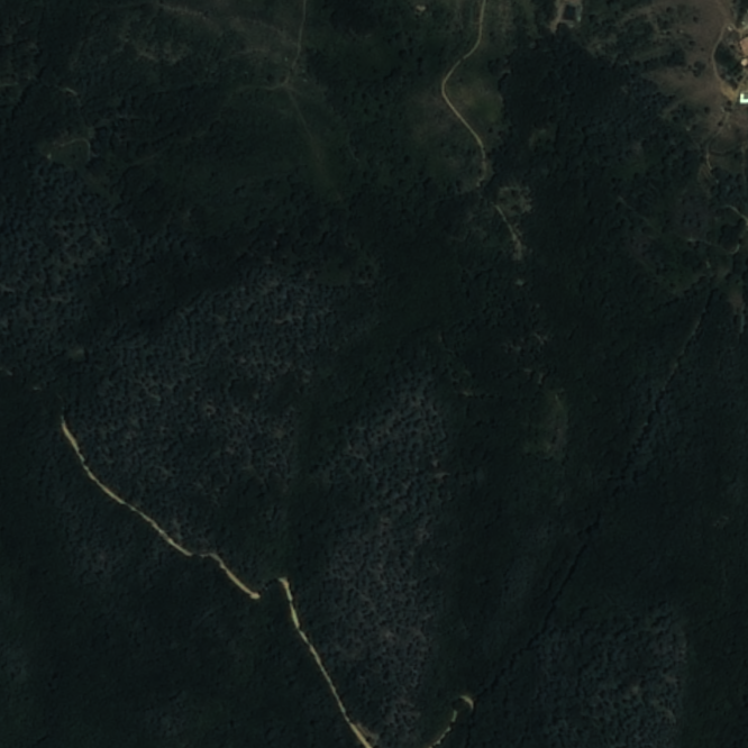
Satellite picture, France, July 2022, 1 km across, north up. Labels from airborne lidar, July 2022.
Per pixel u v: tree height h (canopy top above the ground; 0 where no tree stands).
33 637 23
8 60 17
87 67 7
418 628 14
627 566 16
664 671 10
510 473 20
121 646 13
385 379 19
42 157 24
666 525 15
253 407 15
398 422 7
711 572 11
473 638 16
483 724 16
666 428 20
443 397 16
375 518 11
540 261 12
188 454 20
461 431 16
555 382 17
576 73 18
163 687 16
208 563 19
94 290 19
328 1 13
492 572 17
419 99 0
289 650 15
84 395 19
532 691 15
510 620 16
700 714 9
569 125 11
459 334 17
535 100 16
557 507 12
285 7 0
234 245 20
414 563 12
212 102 12
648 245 9
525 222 11
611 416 14
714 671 18
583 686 16
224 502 16
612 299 20
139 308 19
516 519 13
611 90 17
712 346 15
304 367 18
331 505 13
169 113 14
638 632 10
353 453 13
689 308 16
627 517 18
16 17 15
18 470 21
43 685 24
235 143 8
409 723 16
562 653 13
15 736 18
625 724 18
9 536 27
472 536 29
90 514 15
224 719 20
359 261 17
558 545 21
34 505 21
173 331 23
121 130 21
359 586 15
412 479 21
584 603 16
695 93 0
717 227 0
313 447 26
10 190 25
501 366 16
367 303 19
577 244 21
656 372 10
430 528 15
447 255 20
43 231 24
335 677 14
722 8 0
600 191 17
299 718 16
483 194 6
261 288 18
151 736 12
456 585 14
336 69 11
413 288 21
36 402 16
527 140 19
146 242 23
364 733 0
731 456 10
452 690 16
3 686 16
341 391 19
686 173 6
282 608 13
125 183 9
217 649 15
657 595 15
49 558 21
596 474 24
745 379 11
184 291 21
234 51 6
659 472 19
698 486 16
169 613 18
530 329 20
